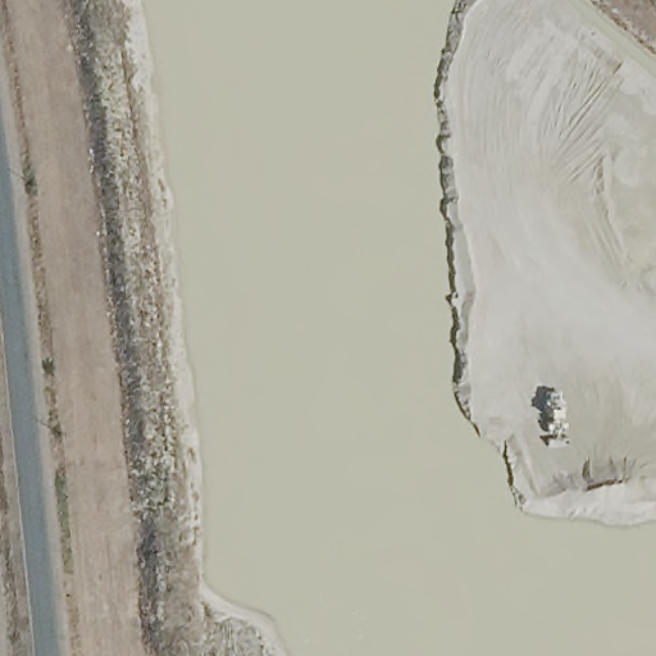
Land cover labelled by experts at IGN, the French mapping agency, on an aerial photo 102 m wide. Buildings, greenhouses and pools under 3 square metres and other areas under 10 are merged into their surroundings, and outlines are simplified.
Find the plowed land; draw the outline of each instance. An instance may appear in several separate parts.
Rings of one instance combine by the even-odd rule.
[[[0,597],[0,656],[13,656],[13,605],[8,592]]]

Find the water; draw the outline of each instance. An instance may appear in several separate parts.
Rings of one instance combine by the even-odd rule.
[[[566,0],[582,15],[584,23],[600,28],[618,49],[623,49],[636,64],[641,64],[656,79],[656,56],[643,51],[630,36],[625,36],[607,15],[602,15],[592,5],[592,0]]]
[[[438,115],[433,105],[433,79],[446,41],[448,13],[456,0],[141,0],[149,26],[149,44],[154,54],[151,87],[156,92],[159,113],[164,118],[164,154],[172,161],[169,177],[177,208],[174,246],[179,251],[185,349],[195,384],[195,418],[202,448],[202,484],[208,492],[208,538],[202,551],[205,584],[223,600],[264,615],[274,625],[287,656],[656,656],[656,520],[646,520],[638,525],[610,525],[592,518],[548,518],[528,513],[523,505],[513,500],[507,489],[510,482],[502,466],[502,448],[495,441],[484,438],[479,423],[472,415],[461,418],[454,405],[454,354],[448,341],[451,313],[443,308],[448,292],[448,274],[446,228],[438,210]]]

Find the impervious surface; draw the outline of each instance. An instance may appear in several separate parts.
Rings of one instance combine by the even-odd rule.
[[[10,179],[0,172],[0,395],[10,395],[13,405],[15,466],[26,533],[36,656],[62,656],[56,623],[56,584],[46,520],[44,464],[38,441],[38,413],[33,390],[33,356],[18,251],[13,187]]]

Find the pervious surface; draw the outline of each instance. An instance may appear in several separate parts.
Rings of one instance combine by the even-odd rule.
[[[202,448],[195,418],[195,384],[185,349],[179,251],[174,246],[177,208],[169,177],[172,161],[164,154],[164,118],[159,113],[156,92],[151,87],[154,54],[149,44],[149,26],[141,0],[123,0],[123,5],[131,10],[126,46],[133,62],[133,90],[141,90],[146,113],[144,151],[149,161],[154,205],[151,220],[156,228],[159,269],[167,300],[172,302],[169,364],[177,395],[174,413],[182,431],[182,459],[187,466],[187,513],[177,518],[179,525],[187,528],[187,546],[192,548],[192,559],[197,566],[200,597],[213,607],[213,615],[218,620],[236,618],[254,625],[261,633],[264,651],[269,656],[287,656],[274,625],[264,615],[223,600],[205,584],[202,551],[208,538],[208,492],[202,484]]]
[[[446,228],[448,274],[448,292],[443,308],[451,313],[448,341],[454,354],[454,405],[461,418],[472,415],[479,423],[484,438],[495,441],[502,448],[502,466],[510,482],[507,489],[513,500],[523,505],[528,513],[548,518],[592,518],[610,525],[638,525],[646,520],[656,520],[656,79],[641,64],[636,64],[623,49],[618,49],[600,28],[584,23],[582,15],[566,0],[456,0],[448,13],[446,41],[433,79],[433,105],[438,115],[438,210]]]

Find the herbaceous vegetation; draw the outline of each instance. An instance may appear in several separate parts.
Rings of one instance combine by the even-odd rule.
[[[26,533],[15,466],[13,405],[10,395],[0,395],[0,597],[8,592],[13,605],[13,656],[36,656]]]
[[[79,87],[79,62],[74,56],[74,44],[67,33],[69,13],[62,10],[62,0],[0,0],[0,172],[10,179],[13,187],[18,251],[33,356],[33,390],[38,413],[38,441],[44,464],[46,520],[56,584],[56,623],[62,656],[154,656],[144,646],[138,618],[136,561],[141,546],[141,523],[131,510],[128,497],[118,361],[113,351],[115,315],[110,282],[103,277],[100,259],[100,241],[108,238],[105,210],[95,200],[95,151],[90,144],[87,105]]]
[[[630,36],[643,51],[656,56],[656,0],[592,0],[592,5],[602,15],[607,15],[625,36]]]
[[[213,615],[213,607],[200,597],[197,566],[192,559],[192,548],[187,546],[187,528],[179,525],[172,530],[177,556],[156,564],[159,605],[156,612],[149,615],[149,620],[159,623],[164,630],[182,628],[179,656],[269,656],[264,651],[261,633],[254,625],[236,618],[218,620]]]
[[[169,507],[177,518],[187,513],[187,466],[182,459],[182,431],[174,413],[177,395],[169,364],[172,302],[167,300],[159,269],[156,228],[151,220],[154,205],[149,161],[144,151],[146,113],[141,90],[133,90],[133,62],[126,46],[131,10],[123,5],[123,0],[82,0],[90,10],[90,26],[97,38],[95,74],[100,79],[100,97],[108,118],[108,154],[115,161],[113,182],[120,205],[118,220],[126,261],[126,295],[131,302],[133,346],[141,359],[138,379],[144,436],[146,443],[156,451],[156,459],[144,459],[144,464],[146,472],[154,466],[169,469]]]

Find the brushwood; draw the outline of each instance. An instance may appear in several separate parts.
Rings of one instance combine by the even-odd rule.
[[[172,530],[179,525],[177,518],[169,507],[169,469],[154,466],[146,472],[144,464],[144,459],[156,459],[156,451],[146,443],[144,436],[138,379],[141,359],[133,346],[131,302],[126,295],[126,261],[118,220],[120,205],[113,182],[115,161],[108,154],[108,118],[100,97],[100,79],[95,74],[97,38],[90,26],[90,10],[82,0],[62,0],[62,10],[69,13],[67,33],[74,44],[74,56],[79,62],[79,87],[87,105],[90,144],[95,151],[95,200],[105,210],[108,238],[100,241],[100,259],[103,277],[110,282],[115,315],[113,351],[118,361],[128,497],[131,510],[141,523],[141,546],[136,561],[138,618],[144,646],[154,656],[179,656],[182,628],[164,630],[159,623],[149,620],[149,615],[156,612],[159,605],[156,564],[177,556]]]

